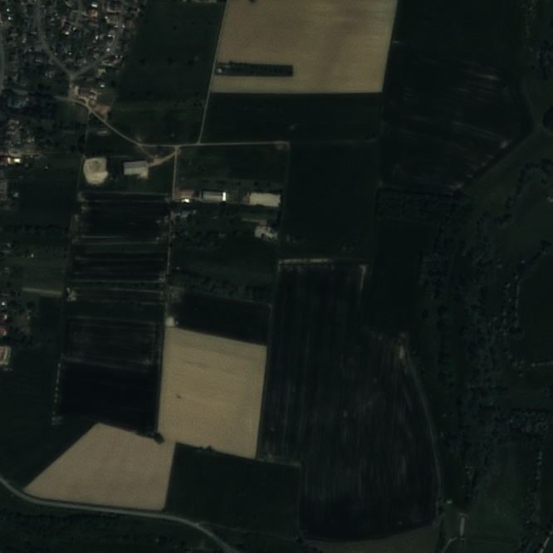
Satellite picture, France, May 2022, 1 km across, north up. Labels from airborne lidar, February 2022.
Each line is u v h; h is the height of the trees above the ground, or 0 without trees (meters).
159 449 0
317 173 0
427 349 0
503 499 0
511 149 0
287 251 0
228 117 0
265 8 0
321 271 0
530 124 0
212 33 0
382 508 0
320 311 0
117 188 0
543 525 0
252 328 0
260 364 0
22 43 0
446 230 12
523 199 0
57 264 0
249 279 0
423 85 0
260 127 0
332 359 0
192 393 0
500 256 0
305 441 0
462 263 0
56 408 0
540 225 0
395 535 0
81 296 0
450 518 0
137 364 0
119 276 0
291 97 0
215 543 0
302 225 0
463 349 0
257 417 0
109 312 0
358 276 0
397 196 11
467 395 0
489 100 0
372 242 0
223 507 0
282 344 0
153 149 0
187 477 0
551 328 0
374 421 0
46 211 0
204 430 0
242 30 0
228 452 0
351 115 0
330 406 0
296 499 0
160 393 0
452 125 0
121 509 0
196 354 0
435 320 0
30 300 0
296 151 0
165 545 22
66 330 0
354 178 0
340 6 0
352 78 0
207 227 0
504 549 0
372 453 0
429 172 0
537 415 10
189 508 0
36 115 16
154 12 0
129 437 0
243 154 0
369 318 0
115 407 0
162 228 0
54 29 0
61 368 0
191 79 0
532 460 0
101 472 0
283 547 0
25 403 0
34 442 0
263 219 0
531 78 0
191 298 0
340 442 0
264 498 0
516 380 0
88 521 17
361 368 0
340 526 0
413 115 0
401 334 0
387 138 0
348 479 0
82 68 0
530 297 0
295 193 0
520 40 0
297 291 0
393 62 0
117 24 0
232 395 0
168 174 0
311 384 0
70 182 0
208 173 0
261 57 0
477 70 0
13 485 0
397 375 0
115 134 0
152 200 0
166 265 0
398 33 0
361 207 0
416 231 0
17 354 0
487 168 0
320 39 0
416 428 0
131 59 0
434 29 0
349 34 0
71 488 0
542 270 0
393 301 0
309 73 0
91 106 0
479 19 0
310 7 0
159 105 0
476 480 12
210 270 0
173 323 0
